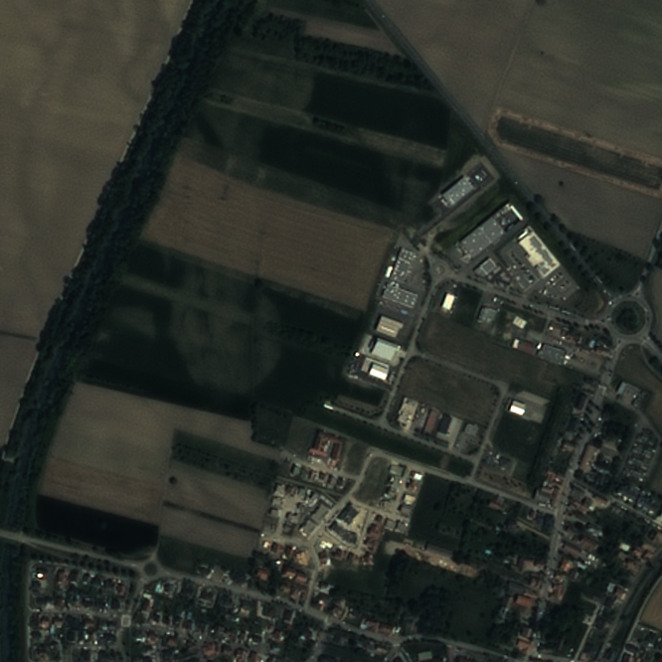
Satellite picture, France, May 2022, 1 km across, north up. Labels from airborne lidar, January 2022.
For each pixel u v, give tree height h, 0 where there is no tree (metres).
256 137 0
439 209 0
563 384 0
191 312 0
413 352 0
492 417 0
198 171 0
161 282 0
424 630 23
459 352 0
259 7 0
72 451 0
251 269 0
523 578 0
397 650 0
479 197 0
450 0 0
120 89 0
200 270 0
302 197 0
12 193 0
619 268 0
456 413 0
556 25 0
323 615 0
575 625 0
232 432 0
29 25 0
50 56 0
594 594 0
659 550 0
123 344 0
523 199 0
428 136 0
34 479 10
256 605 0
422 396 0
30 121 0
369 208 0
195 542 0
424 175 0
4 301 0
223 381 0
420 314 0
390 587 16
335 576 0
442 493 0
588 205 0
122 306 0
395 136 0
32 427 0
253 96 0
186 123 14
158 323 0
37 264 0
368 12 0
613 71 0
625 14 0
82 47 0
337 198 0
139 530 0
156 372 0
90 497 0
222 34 20
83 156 0
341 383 0
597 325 0
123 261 17
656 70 0
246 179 0
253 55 0
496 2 0
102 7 0
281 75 0
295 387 0
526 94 0
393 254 0
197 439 0
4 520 0
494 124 0
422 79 9
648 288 0
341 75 0
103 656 0
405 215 0
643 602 0
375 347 0
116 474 0
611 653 0
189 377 0
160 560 0
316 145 0
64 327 19
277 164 0
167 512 0
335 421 0
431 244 0
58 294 0
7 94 0
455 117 0
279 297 0
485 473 0
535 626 16
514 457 0
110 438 0
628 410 0
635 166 0
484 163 0
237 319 0
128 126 0
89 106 0
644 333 0
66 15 0
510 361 0
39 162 0
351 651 6
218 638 0
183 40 16
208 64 19
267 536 0
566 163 0
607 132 0
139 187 19
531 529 0
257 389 0
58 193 0
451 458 0
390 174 0
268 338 0
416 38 0
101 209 8
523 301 0
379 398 0
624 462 0
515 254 0
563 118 0
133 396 0
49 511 0
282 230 0
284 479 0
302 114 0
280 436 0
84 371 0
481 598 0
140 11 0
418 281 0
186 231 0
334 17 0
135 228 19
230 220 0
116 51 0
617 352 0
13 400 0
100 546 0
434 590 11
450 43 0
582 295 0
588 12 0
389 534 0
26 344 0
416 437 0
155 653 0
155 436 0
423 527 0
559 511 0
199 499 0
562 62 0
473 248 0
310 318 0
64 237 0
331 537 0
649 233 0
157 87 14
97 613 0
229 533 0
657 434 0
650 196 0
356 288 0
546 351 0
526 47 0
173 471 0
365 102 0
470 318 0
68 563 11
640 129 0
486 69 0
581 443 0
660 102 0
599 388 0
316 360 0
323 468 0
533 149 0
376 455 0
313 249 0
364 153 0
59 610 0
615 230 0
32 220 0
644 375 0
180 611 0
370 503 0
